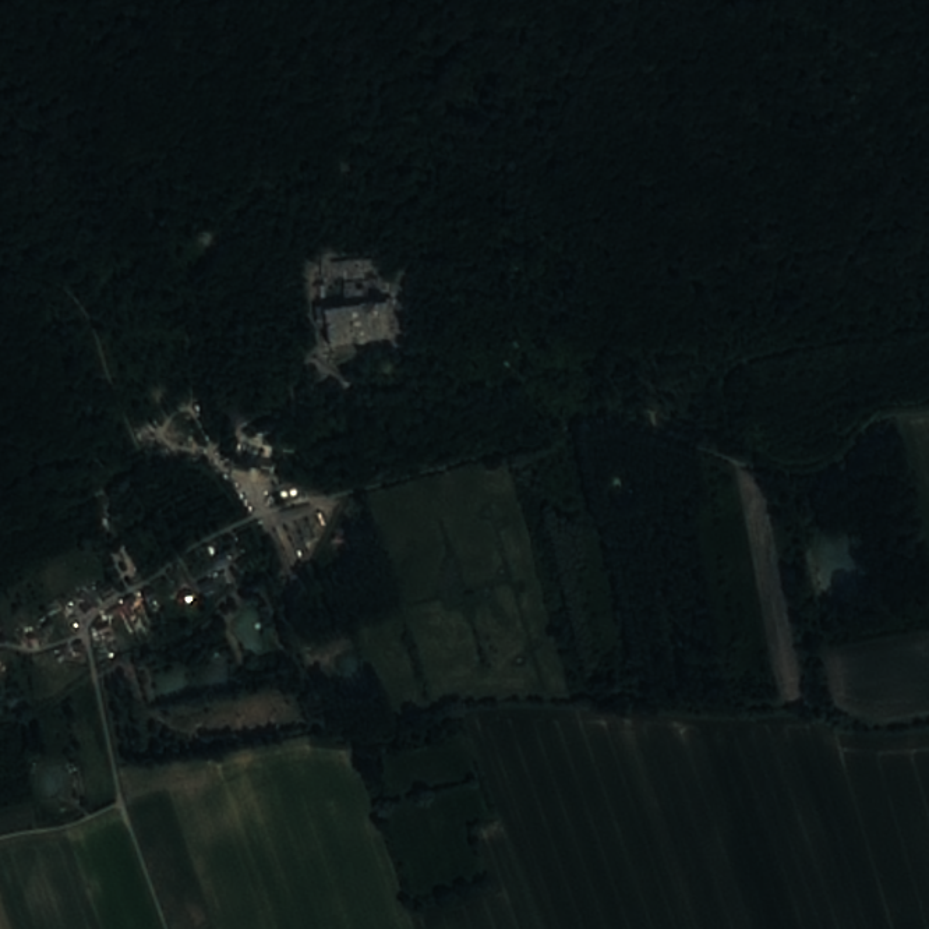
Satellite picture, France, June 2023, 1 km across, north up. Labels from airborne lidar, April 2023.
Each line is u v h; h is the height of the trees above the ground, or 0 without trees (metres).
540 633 0
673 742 0
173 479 8
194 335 14
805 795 0
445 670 0
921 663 0
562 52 31
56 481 22
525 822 0
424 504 0
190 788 0
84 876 0
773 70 25
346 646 0
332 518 0
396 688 0
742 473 0
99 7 22
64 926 0
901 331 11
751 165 23
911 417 0
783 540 0
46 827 0
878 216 26
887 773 0
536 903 0
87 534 8
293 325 16
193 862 0
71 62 24
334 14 23
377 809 14
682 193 23
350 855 0
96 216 24
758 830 0
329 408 14
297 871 0
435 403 24
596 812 0
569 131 22
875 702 0
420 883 0
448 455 14
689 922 0
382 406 21
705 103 25
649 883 0
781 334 18
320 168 22
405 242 19
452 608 0
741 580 0
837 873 0
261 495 0
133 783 0
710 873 0
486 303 10
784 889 0
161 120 25
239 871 0
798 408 11
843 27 26
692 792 0
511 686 0
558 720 0
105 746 0
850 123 26
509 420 21
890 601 34
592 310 23
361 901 0
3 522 19
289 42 19
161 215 25
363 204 16
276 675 22
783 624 0
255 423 7
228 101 22
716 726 0
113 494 14
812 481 13
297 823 0
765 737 0
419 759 0
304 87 19
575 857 0
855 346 8
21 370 25
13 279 23
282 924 0
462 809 0
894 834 0
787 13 29
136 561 8
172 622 6
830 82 27
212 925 0
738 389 9
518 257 19
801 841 0
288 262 20
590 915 0
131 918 0
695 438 18
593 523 9
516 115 27
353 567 33
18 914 0
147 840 0
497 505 0
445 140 24
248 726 0
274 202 14
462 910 0
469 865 0
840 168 27
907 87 21
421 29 21
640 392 14
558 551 17
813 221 24
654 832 0
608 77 28
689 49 20
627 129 21
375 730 22
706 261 23
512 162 21
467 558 0
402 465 20
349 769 0
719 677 32
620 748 0
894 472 24
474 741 0
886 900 0
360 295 0
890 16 25
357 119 18
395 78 24
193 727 0
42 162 28
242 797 0
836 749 0
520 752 0
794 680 0
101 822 0
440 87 22
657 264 21
